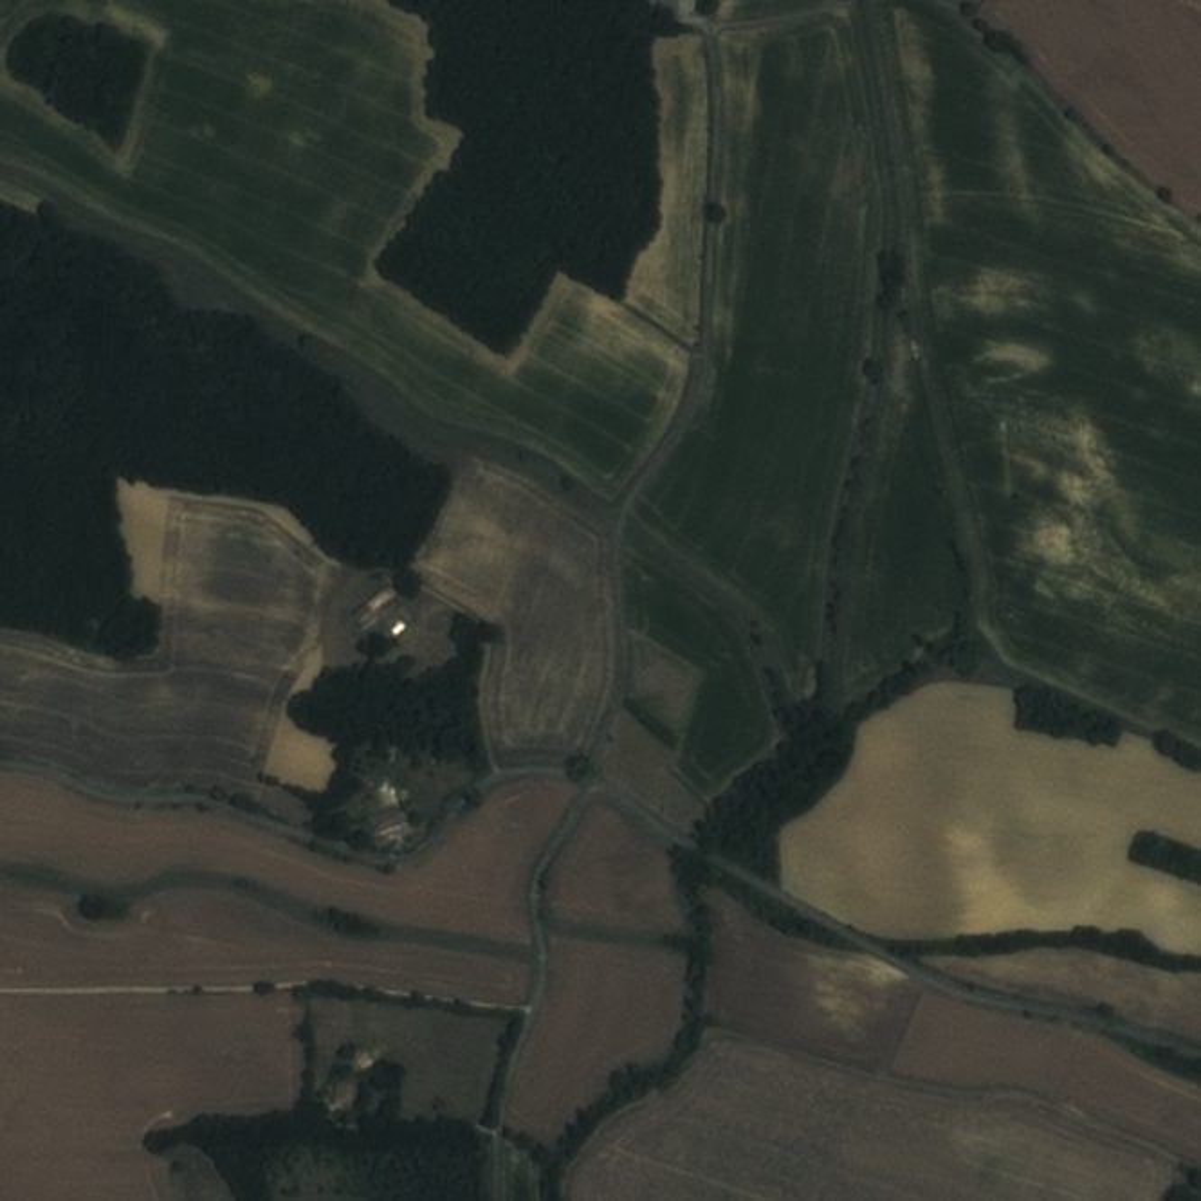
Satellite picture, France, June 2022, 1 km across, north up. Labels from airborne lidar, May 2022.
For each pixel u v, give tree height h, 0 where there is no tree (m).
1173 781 0
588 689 0
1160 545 0
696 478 0
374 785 0
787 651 0
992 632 0
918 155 0
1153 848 8
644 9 19
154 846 0
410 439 0
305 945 0
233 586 0
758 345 0
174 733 0
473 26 15
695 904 12
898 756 0
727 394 0
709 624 0
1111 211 0
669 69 0
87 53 19
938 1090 0
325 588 0
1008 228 0
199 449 19
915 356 0
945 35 0
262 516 0
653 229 13
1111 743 7
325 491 18
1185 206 0
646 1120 0
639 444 0
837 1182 0
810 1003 0
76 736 0
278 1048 0
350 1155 8
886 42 0
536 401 0
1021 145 0
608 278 16
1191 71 0
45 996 0
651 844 0
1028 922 0
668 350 0
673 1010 0
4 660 0
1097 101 0
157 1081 0
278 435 16
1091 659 0
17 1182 0
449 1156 11
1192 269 0
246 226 0
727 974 0
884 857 0
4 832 0
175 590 0
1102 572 0
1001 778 0
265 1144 10
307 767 0
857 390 0
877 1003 0
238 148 0
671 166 0
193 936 0
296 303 0
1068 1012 0
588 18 18
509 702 0
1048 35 0
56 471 17
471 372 0
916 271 0
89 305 20
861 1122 0
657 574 0
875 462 0
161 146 0
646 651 0
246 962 0
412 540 14
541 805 0
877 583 0
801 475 0
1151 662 0
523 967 0
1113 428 0
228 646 0
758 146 0
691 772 0
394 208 0
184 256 0
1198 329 0
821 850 0
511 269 13
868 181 0
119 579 15
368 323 0
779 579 0
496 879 0
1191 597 0
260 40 0
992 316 0
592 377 0
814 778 16
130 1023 0
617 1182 0
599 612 0
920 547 0
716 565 0
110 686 0
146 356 18
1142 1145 0
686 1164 0
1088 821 0
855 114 0
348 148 0
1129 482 0
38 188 0
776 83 0
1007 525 0
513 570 0
